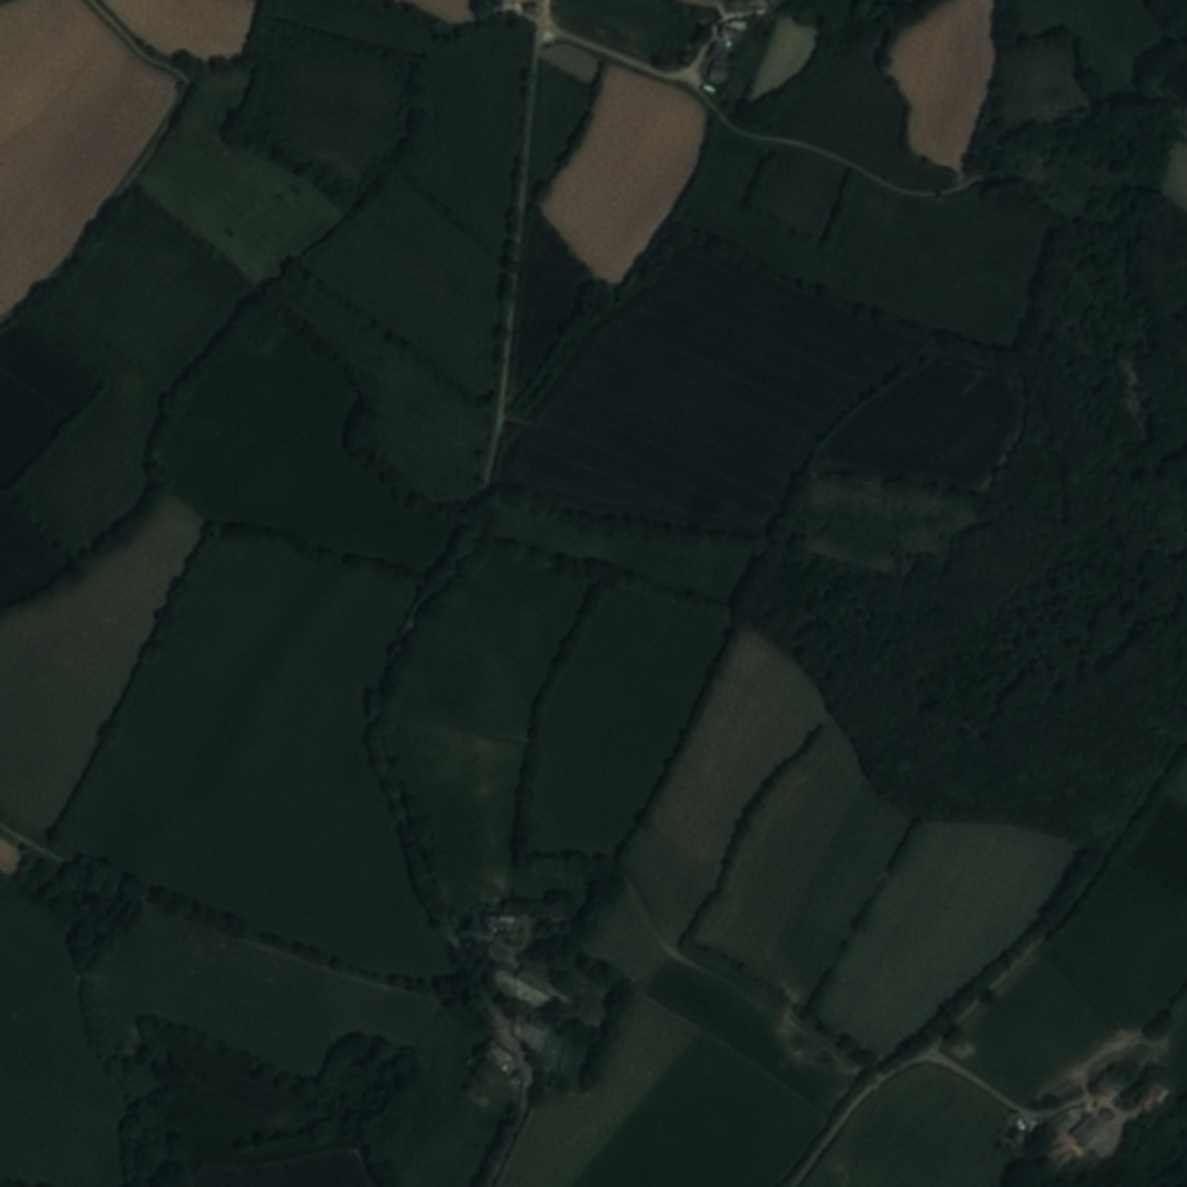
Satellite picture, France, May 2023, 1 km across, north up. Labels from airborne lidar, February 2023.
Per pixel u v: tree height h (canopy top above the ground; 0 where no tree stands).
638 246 0
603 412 0
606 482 0
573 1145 0
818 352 0
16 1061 0
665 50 0
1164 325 18
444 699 0
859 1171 0
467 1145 0
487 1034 8
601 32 0
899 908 0
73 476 0
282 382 0
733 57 9
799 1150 0
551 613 0
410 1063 14
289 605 0
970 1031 0
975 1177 0
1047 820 18
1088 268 7
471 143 0
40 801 0
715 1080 0
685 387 0
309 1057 0
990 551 13
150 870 0
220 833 0
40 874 17
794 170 0
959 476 0
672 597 7
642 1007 0
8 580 0
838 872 0
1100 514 20
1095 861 19
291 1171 0
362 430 22
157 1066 11
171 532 0
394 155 9
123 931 5
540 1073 11
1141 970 0
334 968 13
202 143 0
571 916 7
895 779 17
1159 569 18
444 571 16
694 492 0
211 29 0
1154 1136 7
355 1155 0
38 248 0
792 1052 0
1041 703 19
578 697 0
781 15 7
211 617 0
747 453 0
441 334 0
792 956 0
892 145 0
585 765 0
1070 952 0
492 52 0
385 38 0
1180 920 0
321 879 0
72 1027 0
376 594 0
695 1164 0
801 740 0
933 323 0
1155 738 20
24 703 0
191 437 0
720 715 0
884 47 9
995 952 0
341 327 0
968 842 0
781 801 0
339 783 0
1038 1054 0
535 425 0
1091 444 16
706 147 8
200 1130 0
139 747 0
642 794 0
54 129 0
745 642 0
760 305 0
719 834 0
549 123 0
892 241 0
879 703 19
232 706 0
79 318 0
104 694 0
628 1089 0
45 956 0
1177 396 19
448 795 0
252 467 0
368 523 0
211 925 18
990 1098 0
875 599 16
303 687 0
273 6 0
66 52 0
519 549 13
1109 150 9
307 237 0
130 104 0
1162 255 24
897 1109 0
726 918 0
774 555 15
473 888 0
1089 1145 0
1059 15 0
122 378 0
